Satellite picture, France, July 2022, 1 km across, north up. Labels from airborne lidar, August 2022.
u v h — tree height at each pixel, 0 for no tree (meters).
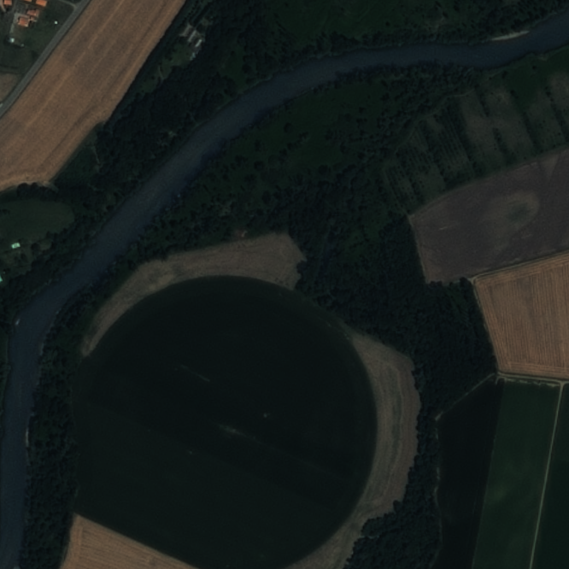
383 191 14
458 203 0
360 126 19
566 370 0
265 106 0
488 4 18
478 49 0
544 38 0
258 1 21
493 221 0
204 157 0
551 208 0
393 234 25
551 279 0
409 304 23
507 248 0
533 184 0
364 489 0
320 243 24
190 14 7
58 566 11
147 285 0
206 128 0
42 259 8
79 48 0
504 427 0
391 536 17
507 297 0
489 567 0
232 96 16
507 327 0
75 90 0
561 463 0
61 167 0
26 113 0
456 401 13
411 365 0
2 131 0
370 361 0
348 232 5
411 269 22
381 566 13
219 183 29
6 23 0
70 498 13
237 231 0
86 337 0
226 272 0
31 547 15
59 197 18
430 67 26
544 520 0
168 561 0
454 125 7
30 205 0
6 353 0
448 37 8
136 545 0
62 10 0
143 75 14
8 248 0
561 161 0
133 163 26
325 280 22
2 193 0
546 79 6
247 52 10
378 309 37
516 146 0
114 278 24
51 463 14
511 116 0
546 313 0
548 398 0
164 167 0
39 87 0
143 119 27
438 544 25
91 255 0
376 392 0
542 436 0
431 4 0
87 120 0
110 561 0
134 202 0
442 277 0
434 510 30
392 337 23
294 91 0
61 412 12
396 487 0
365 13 0
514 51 0
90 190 13
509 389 0
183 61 0
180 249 11
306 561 0
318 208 30
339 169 5
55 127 0
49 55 0
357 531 0
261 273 0
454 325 27
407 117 15
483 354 34
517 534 0
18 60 0
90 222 23
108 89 0
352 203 19
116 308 0
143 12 0
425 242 0
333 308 32
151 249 12
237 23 21
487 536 0
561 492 0
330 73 0
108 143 18
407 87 23
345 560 0
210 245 10
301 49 0
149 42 0
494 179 0
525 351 0
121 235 0
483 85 0
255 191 25
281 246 0
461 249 0
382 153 13
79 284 0
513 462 0
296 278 0
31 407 0
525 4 17
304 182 27
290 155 24
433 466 17
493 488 0
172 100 23
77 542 0
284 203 31
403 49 0
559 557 0
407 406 0
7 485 0
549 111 0
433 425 25
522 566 0
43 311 0
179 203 29
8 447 0
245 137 15
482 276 0
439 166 13
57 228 0
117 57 0
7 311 17
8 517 0
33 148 0
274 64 27
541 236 0
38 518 10
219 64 25
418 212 0
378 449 0
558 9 18
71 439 18
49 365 13
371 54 0
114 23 0
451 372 19
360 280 23
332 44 9
